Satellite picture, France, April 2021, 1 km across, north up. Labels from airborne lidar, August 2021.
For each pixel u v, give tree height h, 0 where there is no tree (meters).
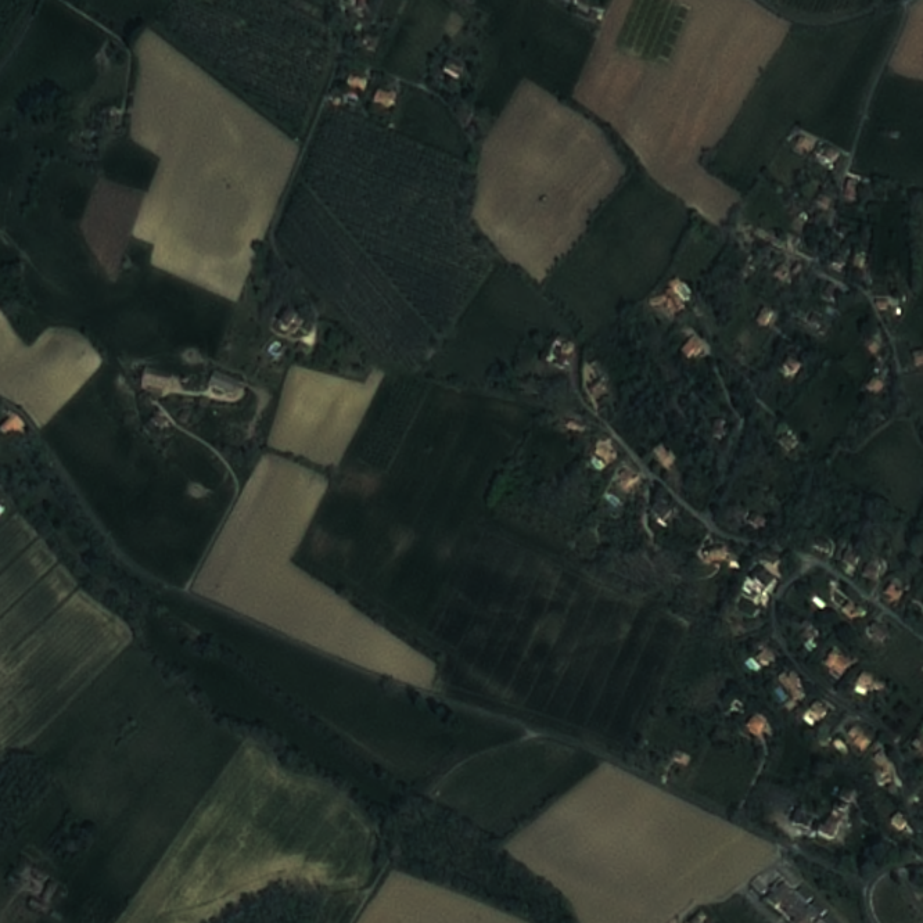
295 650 0
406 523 0
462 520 0
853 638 14
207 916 0
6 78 0
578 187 0
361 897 0
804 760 0
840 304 16
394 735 0
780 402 6
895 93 0
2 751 0
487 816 0
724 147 0
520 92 0
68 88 0
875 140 0
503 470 6
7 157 0
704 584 21
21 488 12
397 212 8
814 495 15
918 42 0
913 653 0
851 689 8
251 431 0
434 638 0
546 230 0
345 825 0
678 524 12
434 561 0
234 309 0
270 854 0
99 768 0
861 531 16
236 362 0
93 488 0
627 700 0
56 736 0
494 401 0
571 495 22
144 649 6
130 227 0
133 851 0
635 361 10
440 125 0
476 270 6
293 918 26
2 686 0
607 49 0
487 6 0
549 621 0
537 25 0
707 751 0
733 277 12
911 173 0
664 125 0
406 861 14
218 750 0
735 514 18
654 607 0
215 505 0
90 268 0
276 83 6
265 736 17
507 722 0
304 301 16
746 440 13
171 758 0
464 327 0
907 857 19
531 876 16
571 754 0
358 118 7
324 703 0
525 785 0
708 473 11
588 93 0
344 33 11
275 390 0
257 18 8
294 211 8
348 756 12
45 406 0
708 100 0
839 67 0
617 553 14
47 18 0
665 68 0
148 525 0
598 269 0
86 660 0
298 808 0
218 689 0
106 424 0
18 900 0
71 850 17
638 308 20
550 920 11
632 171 11
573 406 12
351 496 0
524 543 0
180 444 0
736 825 13
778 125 0
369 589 0
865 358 0
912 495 0
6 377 0
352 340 6
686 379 8
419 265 7
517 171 0
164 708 0
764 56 0
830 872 7
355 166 7
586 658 0
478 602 0
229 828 0
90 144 11
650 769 16
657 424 19
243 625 0
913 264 10
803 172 6
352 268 8
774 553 9
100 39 0
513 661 0
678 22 0
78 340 0
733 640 10
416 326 8
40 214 0
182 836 0
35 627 0
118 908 0
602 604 0
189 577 0
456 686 0
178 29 6
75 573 12
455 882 16
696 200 0
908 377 0
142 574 0
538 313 0
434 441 0
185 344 0
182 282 0
